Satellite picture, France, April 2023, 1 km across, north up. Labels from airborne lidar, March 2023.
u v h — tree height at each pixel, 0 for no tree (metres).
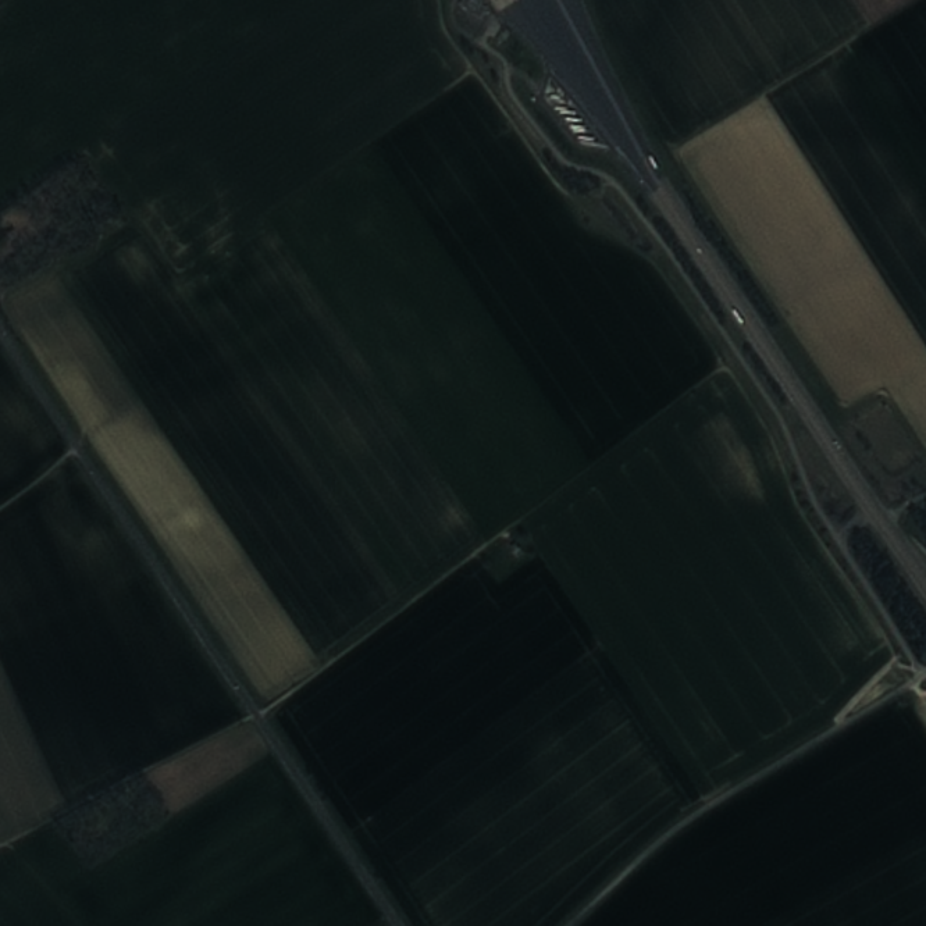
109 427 0
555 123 0
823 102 0
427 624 0
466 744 0
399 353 0
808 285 0
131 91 0
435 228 0
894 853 0
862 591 0
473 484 0
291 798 0
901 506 0
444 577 0
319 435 0
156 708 0
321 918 0
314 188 0
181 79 0
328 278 0
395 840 0
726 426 0
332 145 0
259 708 0
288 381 0
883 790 0
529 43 0
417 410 0
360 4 0
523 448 0
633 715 0
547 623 0
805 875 0
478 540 0
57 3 0
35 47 0
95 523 0
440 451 0
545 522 0
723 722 0
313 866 0
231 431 0
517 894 0
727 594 0
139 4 0
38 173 0
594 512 0
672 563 0
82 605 0
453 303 0
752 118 0
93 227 19
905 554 0
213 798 0
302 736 0
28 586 0
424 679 0
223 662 0
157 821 14
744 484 0
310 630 0
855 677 0
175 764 0
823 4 0
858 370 0
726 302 0
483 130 0
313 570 0
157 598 0
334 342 0
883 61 0
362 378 0
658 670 0
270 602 0
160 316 0
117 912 0
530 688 0
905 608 9
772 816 0
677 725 0
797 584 0
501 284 0
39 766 0
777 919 0
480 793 0
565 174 6
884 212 0
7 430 0
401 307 0
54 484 0
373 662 0
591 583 0
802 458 0
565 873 0
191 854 0
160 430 0
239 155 0
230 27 0
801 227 0
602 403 0
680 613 0
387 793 0
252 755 0
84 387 0
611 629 0
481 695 0
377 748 0
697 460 0
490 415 0
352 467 0
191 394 0
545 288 0
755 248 0
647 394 0
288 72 0
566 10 0
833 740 0
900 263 0
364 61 0
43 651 0
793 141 0
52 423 0
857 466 0
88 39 0
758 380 0
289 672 0
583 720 0
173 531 0
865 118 0
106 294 0
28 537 0
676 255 8
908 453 0
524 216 0
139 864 0
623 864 0
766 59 0
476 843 0
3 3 0
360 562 0
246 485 0
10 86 0
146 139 0
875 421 0
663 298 0
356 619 0
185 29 0
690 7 0
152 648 0
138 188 0
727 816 0
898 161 0
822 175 0
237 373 0
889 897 0
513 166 0
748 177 0
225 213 0
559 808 0
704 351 0
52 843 0
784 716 0
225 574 0
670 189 0
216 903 0
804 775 0
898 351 0
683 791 0
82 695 0
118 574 0
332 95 0
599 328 0
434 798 0
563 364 0
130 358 0
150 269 0
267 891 0
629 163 0
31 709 0
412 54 0
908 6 0
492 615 0
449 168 0
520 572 0
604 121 0
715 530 0
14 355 0
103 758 0
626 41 0
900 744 0
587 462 0
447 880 0
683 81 0
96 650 0
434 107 0
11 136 0
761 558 0
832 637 0
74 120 0
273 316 0
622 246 0
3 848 0
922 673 0
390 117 0
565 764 0
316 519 0
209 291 0
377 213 0
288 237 0
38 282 0
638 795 0
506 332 0
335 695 0
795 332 0
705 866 0
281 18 0
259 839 0
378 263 0
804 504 6
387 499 0
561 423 0
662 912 0
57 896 0
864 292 0
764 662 0
